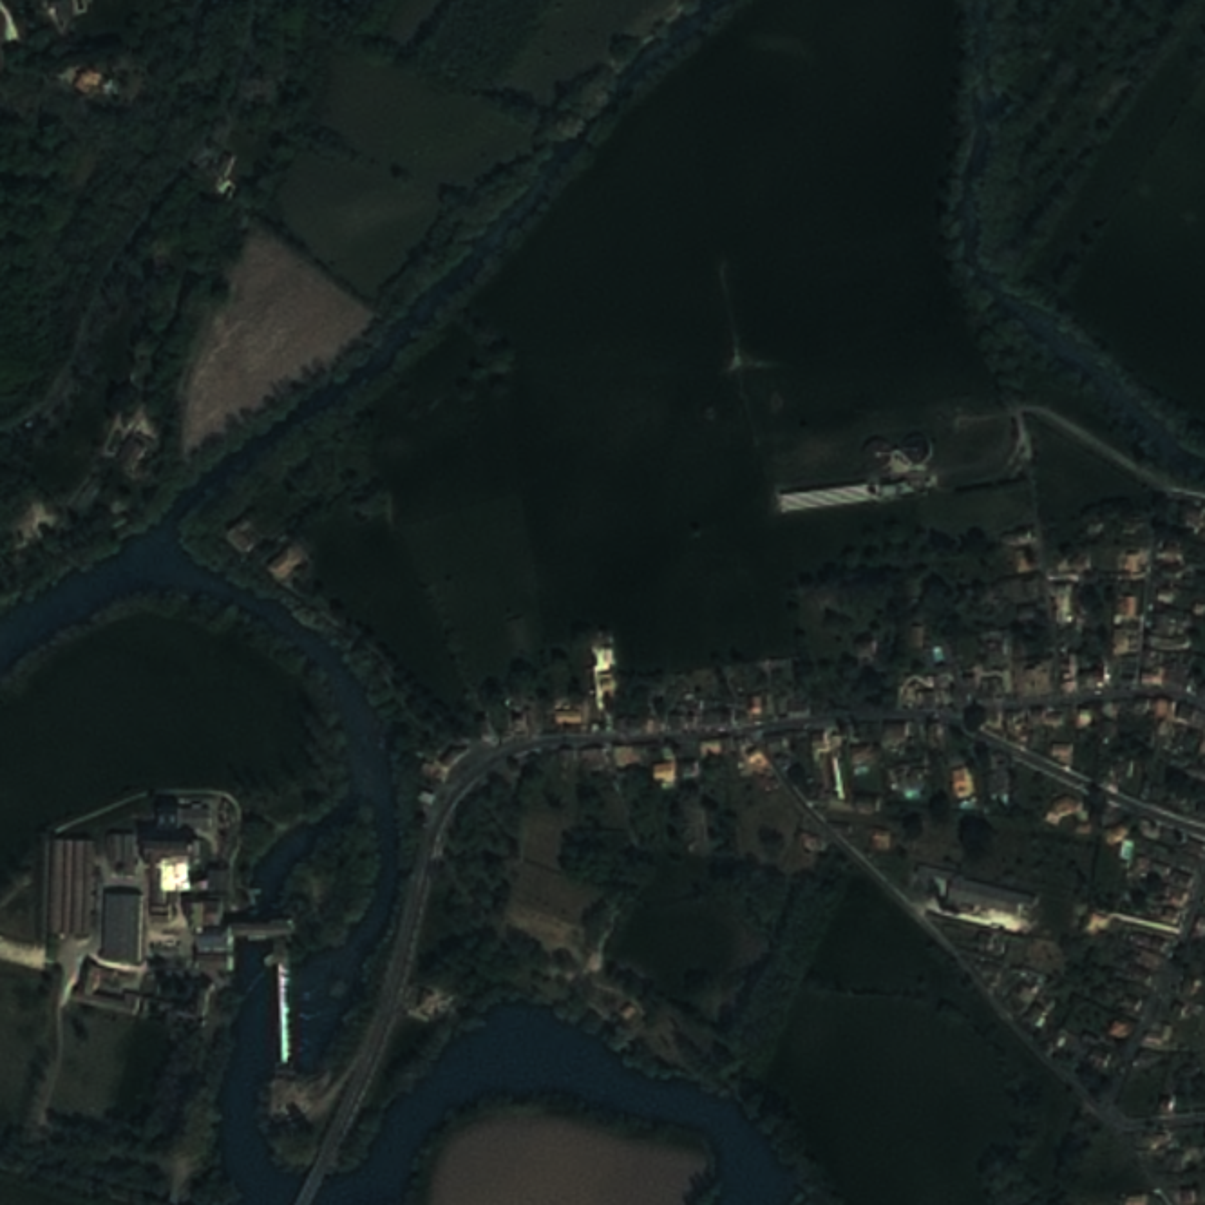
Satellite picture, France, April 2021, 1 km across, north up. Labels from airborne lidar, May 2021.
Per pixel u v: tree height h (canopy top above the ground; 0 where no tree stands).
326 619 14
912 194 0
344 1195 0
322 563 0
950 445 0
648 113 0
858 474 0
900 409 0
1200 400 0
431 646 0
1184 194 0
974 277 12
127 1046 0
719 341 0
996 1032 0
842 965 0
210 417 0
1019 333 17
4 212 25
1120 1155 0
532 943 15
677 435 0
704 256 0
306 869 13
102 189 14
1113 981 8
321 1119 0
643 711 11
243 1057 0
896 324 0
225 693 0
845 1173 0
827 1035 0
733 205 0
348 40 19
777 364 0
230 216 16
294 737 0
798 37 0
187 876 0
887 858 0
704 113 0
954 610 9
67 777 0
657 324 0
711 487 0
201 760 0
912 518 0
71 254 21
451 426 0
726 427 0
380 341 13
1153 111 0
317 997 0
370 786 0
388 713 12
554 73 0
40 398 8
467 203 19
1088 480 0
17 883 18
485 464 0
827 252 0
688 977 0
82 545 18
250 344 0
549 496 0
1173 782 13
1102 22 13
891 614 11
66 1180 11
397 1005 0
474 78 13
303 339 0
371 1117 15
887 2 0
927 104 0
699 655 0
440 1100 0
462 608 0
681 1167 0
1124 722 7
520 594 0
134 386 12
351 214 0
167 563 0
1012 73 15
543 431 0
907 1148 0
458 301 17
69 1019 0
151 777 0
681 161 0
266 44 27
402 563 0
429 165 0
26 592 11
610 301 0
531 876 0
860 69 0
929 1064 0
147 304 30
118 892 0
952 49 0
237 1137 0
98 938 0
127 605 27
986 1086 0
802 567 0
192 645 0
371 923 0
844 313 0
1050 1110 20
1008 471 0
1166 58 10
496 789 15
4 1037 0
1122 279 0
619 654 0
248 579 15
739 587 0
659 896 0
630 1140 0
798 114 0
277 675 0
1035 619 5
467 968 16
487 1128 0
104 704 0
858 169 0
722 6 10
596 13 0
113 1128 17
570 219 0
